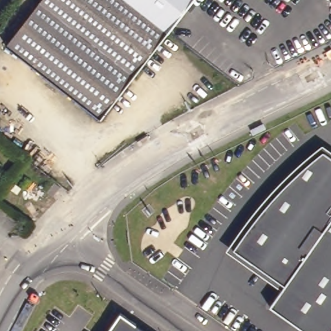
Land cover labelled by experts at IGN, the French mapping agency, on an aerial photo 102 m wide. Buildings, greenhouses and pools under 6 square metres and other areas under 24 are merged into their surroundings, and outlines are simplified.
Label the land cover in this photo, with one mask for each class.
<instances>
[{"label":"impervious surface","instance_id":"1","mask_svg":"<svg viewBox=\"0 0 331 331\"><path fill-rule=\"evenodd\" d=\"M43 0H26L10 18L0 37V131L8 137H17L14 144L26 149L30 155L40 150L35 164L59 180L57 185L50 186L44 193L41 191L43 187L35 184L28 185L27 190L25 187L13 186L9 191V202L26 211L34 221L35 229L28 238L8 237L14 220L0 209V331H23L34 313L35 303H39L40 297L44 295L45 288L59 281L87 283L93 292L103 297L109 305L100 319L94 323L92 330H84L91 315L85 312L83 306L78 305L74 312L67 315L57 309L49 310L47 319L37 331H109L112 322L119 315H123L141 331H295L269 312L270 304L278 295L277 290L262 281L255 282V275L229 259L225 251L251 213L297 164L303 162L306 156L318 147H326L331 151V101L325 102V109L315 111V114L305 111L303 120L290 125L286 132L279 134L243 171L238 172V177L224 191L219 202L198 222L199 229H195L184 247H178L175 242L189 224V212L195 206V200L190 202V198H181L168 208V211L162 209L160 216H156L158 224L145 231L141 248H144L142 253L149 257L150 264L162 259L165 253L173 255V265L163 278L147 272L136 262H125L120 259L112 238V229L120 211L132 202V199L138 197L146 187L154 185L182 165L198 158V151L208 153L244 133L257 136L265 132L266 123L270 120L277 119L331 92V0H203L200 5L190 6L171 35L176 39L180 35L182 41L197 50L200 56L212 63L217 70L238 81L237 87L195 109H190V100L198 102L194 94L206 97L208 92L212 91L213 84L208 78H202V72L195 69L182 49L177 48L176 44L169 40V35L165 34L164 39L156 47L158 53L154 54L153 61L158 62V65L153 67L154 74L141 75L138 80L132 79L128 84L127 101L124 102L122 111L112 110L107 115L105 123L96 122L69 97L63 96L56 89L45 87V80L40 78L39 74L4 48V44L13 39ZM129 137L136 138L137 142L128 146L122 153L112 156L103 163V168H96L94 163L100 156L109 153Z\"/></svg>","mask_w":331,"mask_h":331},{"label":"building","instance_id":"2","mask_svg":"<svg viewBox=\"0 0 331 331\"><path fill-rule=\"evenodd\" d=\"M203 0H43L13 39L4 44V48L39 74L40 78L45 80V87L56 89L63 96L69 97L96 122L105 123L107 115L112 110L122 111L124 102L127 101L128 84L132 79L138 80L141 75L154 74L153 67L158 65V62L153 61L154 54L158 53L156 47L164 39L165 34L169 35H171L190 6L200 5ZM229 259L255 275V282L262 281L277 290L278 295L270 304L269 312L295 331H331V151L326 147H318L306 156L303 162L297 164L251 213L225 251ZM109 331H141L123 315H119L112 322Z\"/></svg>","mask_w":331,"mask_h":331},{"label":"herbaceous vegetation","instance_id":"3","mask_svg":"<svg viewBox=\"0 0 331 331\"><path fill-rule=\"evenodd\" d=\"M169 40L176 44L177 48L182 49L195 69L202 72V78H208L213 84L212 91L208 92L206 97L194 94L198 102L190 100V109H195L237 87L238 81L217 70L212 63L200 56L197 50L182 41L180 35L176 39L171 35H169ZM331 101V92L277 119L270 120L266 123L265 132L257 136L244 133L208 153L198 151V158L182 165L154 185L146 187L138 197L132 199V202L120 211L112 229V238L120 259L125 262H136L147 272L163 278L173 265V255L165 253L162 259L150 264L149 257L142 253L144 248H141L145 231L158 224L156 216H160L162 209L168 211V208L181 198H190V202L195 200V206L189 212V224L175 242L178 247H184L195 229H199L198 222L219 202L224 191L238 177V172L243 171L279 134L286 132L290 125L303 120L305 111L315 114V111L325 109V102ZM137 142L136 138L129 137L109 153L100 156L94 163L96 168H103V163L112 156L122 153L128 146ZM34 313L23 331H37L47 319L49 310L57 309L67 315L74 312L78 305L83 306L85 312L91 315L84 330H92L94 323L100 319L109 305L103 297L93 292L87 283L59 281L45 288L44 295L40 297L39 303H35Z\"/></svg>","mask_w":331,"mask_h":331},{"label":"brushwood","instance_id":"4","mask_svg":"<svg viewBox=\"0 0 331 331\"><path fill-rule=\"evenodd\" d=\"M26 0H0V37L10 18ZM17 137H8L0 131V209L14 220L8 237L28 238L35 229L34 221L26 211L9 202V191L13 186L25 187L27 190L28 185L35 184L43 187L41 191L44 193L50 186L57 185L59 180L35 164L40 150L30 155L26 149L14 144Z\"/></svg>","mask_w":331,"mask_h":331}]
</instances>
